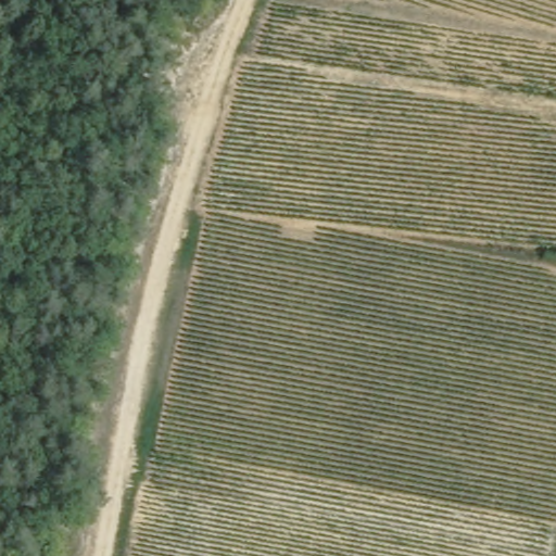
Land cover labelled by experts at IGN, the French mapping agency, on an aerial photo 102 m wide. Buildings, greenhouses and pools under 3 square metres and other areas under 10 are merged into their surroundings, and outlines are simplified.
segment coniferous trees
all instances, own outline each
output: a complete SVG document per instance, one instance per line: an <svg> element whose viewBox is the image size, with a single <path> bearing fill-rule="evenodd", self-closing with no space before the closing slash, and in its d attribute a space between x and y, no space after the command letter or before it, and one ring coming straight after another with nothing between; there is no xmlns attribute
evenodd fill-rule
<svg viewBox="0 0 556 556"><path fill-rule="evenodd" d="M102 56L96 56L93 70L111 74L113 65L109 54L115 50L126 50L128 37L135 35L139 39L148 35L152 41L154 61L146 61L141 65L141 74L150 83L156 83L156 91L165 96L165 111L176 119L174 109L178 102L167 80L167 70L176 67L174 61L180 59L182 48L189 48L202 30L206 30L219 17L228 0L206 0L202 4L202 13L195 20L176 15L176 33L169 35L169 39L161 39L150 26L159 11L159 2L163 0L100 0L83 2L85 9L80 9L80 13L87 17L87 24L91 26L91 35L85 37L87 48L102 50Z"/></svg>
<svg viewBox="0 0 556 556"><path fill-rule="evenodd" d="M0 556L48 556L48 549L41 547L39 534L33 534L28 528L22 528L20 532L20 549L4 549L0 543Z"/></svg>
<svg viewBox="0 0 556 556"><path fill-rule="evenodd" d="M128 91L128 80L119 76L113 89L102 93L100 83L89 85L85 100L102 98L104 111L109 106L119 106Z"/></svg>
<svg viewBox="0 0 556 556"><path fill-rule="evenodd" d="M83 215L91 213L91 202L96 195L96 185L89 178L91 150L87 139L80 141L76 148L63 150L59 156L61 165L70 174L80 174L80 185L85 187L85 200L80 204Z"/></svg>
<svg viewBox="0 0 556 556"><path fill-rule="evenodd" d="M41 410L41 415L24 421L17 443L9 443L9 452L24 450L28 463L26 469L33 484L17 487L20 476L17 465L13 460L4 460L0 473L0 487L13 487L20 497L30 497L39 495L41 491L48 491L48 487L56 480L63 491L76 489L76 482L85 473L93 471L85 463L87 456L83 454L83 437L74 432L76 417L85 408L85 397L96 395L102 382L89 376L70 376L61 367L59 356L63 354L65 343L70 339L96 341L93 319L98 315L100 319L115 319L115 315L119 306L117 302L106 293L109 285L115 280L111 276L113 254L100 254L93 258L50 258L46 263L50 287L43 300L48 300L48 311L37 308L33 341L26 348L26 354L30 356L30 367L35 371L35 382L28 389L30 395L37 400L37 408Z"/></svg>
<svg viewBox="0 0 556 556"><path fill-rule="evenodd" d="M48 52L46 37L50 28L63 28L63 9L67 0L0 0L0 91L4 89L4 76L11 65L11 52L17 56L37 54L39 59Z"/></svg>

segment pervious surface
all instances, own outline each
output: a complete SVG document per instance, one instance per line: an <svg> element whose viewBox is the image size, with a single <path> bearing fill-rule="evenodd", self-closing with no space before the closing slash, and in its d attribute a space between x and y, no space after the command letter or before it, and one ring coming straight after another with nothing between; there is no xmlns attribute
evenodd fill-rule
<svg viewBox="0 0 556 556"><path fill-rule="evenodd" d="M224 87L232 61L232 52L248 26L254 0L228 0L219 17L226 26L213 54L211 67L191 80L191 91L198 98L198 109L178 124L178 130L185 141L185 152L176 169L172 198L165 211L165 219L148 271L146 278L146 289L141 298L139 317L132 330L130 348L124 380L124 393L117 406L117 426L111 439L111 454L104 478L106 504L100 508L96 523L98 534L93 556L113 556L124 491L130 482L137 463L135 437L148 384L148 363L152 356L156 319L163 306L172 263L180 248L180 241L187 235L185 215L189 206L189 195L195 182L206 139L217 117L219 91Z"/></svg>

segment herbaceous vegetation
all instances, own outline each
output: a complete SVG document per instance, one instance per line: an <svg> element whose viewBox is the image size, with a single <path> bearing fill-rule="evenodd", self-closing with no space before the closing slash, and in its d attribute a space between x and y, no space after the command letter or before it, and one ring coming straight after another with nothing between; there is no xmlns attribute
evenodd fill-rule
<svg viewBox="0 0 556 556"><path fill-rule="evenodd" d="M135 248L135 254L141 256L141 267L148 271L165 219L165 211L172 198L176 169L185 152L185 141L178 130L167 137L169 148L165 152L165 163L159 174L159 193L150 200L150 215L146 219L148 235L141 237Z"/></svg>
<svg viewBox="0 0 556 556"><path fill-rule="evenodd" d="M189 48L182 48L180 59L174 61L176 67L167 70L167 80L178 102L174 109L176 119L178 124L198 109L198 98L191 91L191 80L211 67L213 54L226 26L219 17L206 30L202 30Z"/></svg>
<svg viewBox="0 0 556 556"><path fill-rule="evenodd" d="M132 330L139 317L141 298L146 289L146 278L141 274L137 280L130 280L126 289L119 289L117 302L119 306L115 315L122 317L124 326L128 328L122 330L119 337L130 348Z"/></svg>
<svg viewBox="0 0 556 556"><path fill-rule="evenodd" d="M102 419L93 437L96 443L111 454L111 439L117 426L117 406L124 393L124 380L117 378L117 387L109 391L111 395L104 404Z"/></svg>
<svg viewBox="0 0 556 556"><path fill-rule="evenodd" d="M67 556L93 556L98 534L96 523L85 526L78 534L74 534L72 541L67 541Z"/></svg>

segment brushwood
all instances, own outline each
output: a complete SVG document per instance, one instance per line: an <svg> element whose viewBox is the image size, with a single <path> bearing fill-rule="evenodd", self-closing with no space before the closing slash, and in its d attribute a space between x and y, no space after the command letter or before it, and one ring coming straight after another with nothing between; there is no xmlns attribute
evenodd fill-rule
<svg viewBox="0 0 556 556"><path fill-rule="evenodd" d="M536 248L536 256L541 261L556 265L556 245Z"/></svg>

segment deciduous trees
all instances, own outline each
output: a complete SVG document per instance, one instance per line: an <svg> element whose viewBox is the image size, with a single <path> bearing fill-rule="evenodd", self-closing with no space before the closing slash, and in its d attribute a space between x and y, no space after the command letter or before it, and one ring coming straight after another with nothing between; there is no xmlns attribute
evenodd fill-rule
<svg viewBox="0 0 556 556"><path fill-rule="evenodd" d="M159 11L150 26L161 39L169 39L169 35L176 33L176 15L195 20L202 13L202 4L206 0L163 0L159 2Z"/></svg>
<svg viewBox="0 0 556 556"><path fill-rule="evenodd" d="M100 508L106 504L104 478L111 454L96 443L93 437L102 419L104 404L111 395L109 391L117 387L117 378L124 380L130 348L119 337L122 330L128 328L124 326L122 317L115 315L115 319L100 319L98 315L93 319L96 341L70 339L65 343L63 354L59 356L61 367L70 376L89 376L102 382L96 395L85 397L85 408L76 417L74 432L83 437L83 454L87 456L85 463L93 471L85 473L76 482L76 489L63 491L56 480L48 487L48 491L41 491L39 495L30 497L20 497L13 487L0 487L0 543L4 549L20 549L20 532L22 528L28 528L33 534L39 534L41 547L48 549L48 556L67 556L67 541L72 541L74 534L78 534L85 526L96 523Z"/></svg>
<svg viewBox="0 0 556 556"><path fill-rule="evenodd" d="M87 48L85 37L91 35L91 26L87 24L87 17L80 13L80 9L85 9L83 2L100 0L67 0L63 9L63 28L50 28L46 37L48 52L39 59L37 54L17 56L11 52L11 65L4 76L4 89L0 91L0 473L4 460L13 460L17 465L20 476L17 487L33 484L26 469L28 463L24 450L9 452L9 443L17 443L24 421L41 415L41 410L37 408L37 400L30 395L28 389L35 382L35 371L30 367L30 356L26 354L26 348L33 341L37 308L48 311L48 300L43 300L50 287L46 263L50 258L93 258L100 254L113 254L111 276L115 280L109 285L106 293L117 302L119 289L126 289L130 280L137 280L141 274L146 278L148 271L141 267L141 256L135 254L135 248L141 237L148 235L146 219L150 215L150 200L159 193L159 174L165 163L165 152L169 148L167 137L178 130L178 124L176 119L165 111L165 96L156 91L156 83L150 83L141 74L141 65L146 61L154 61L152 41L148 35L139 39L135 35L128 37L126 50L115 50L109 54L113 65L111 74L93 70L96 56L102 56L102 50ZM113 89L119 76L128 80L128 91L119 106L109 106L104 111L102 98L85 100L89 85L100 83L102 93ZM89 178L96 185L96 195L91 202L91 213L83 215L80 204L85 200L85 187L80 185L80 174L70 174L61 165L59 156L63 150L76 148L80 141L87 139L91 150Z"/></svg>

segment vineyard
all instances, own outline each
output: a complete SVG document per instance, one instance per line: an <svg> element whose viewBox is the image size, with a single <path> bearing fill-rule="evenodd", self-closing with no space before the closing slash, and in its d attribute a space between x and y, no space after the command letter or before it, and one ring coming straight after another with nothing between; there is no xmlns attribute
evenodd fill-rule
<svg viewBox="0 0 556 556"><path fill-rule="evenodd" d="M187 235L180 241L180 248L172 263L163 306L156 319L152 356L148 363L148 384L135 437L137 463L130 482L124 491L113 556L556 556L556 265L541 261L536 256L536 248L556 245L556 0L254 0L248 26L232 52L232 61L224 87L219 91L217 117L206 139L195 182L189 195L189 206L185 215Z"/></svg>

